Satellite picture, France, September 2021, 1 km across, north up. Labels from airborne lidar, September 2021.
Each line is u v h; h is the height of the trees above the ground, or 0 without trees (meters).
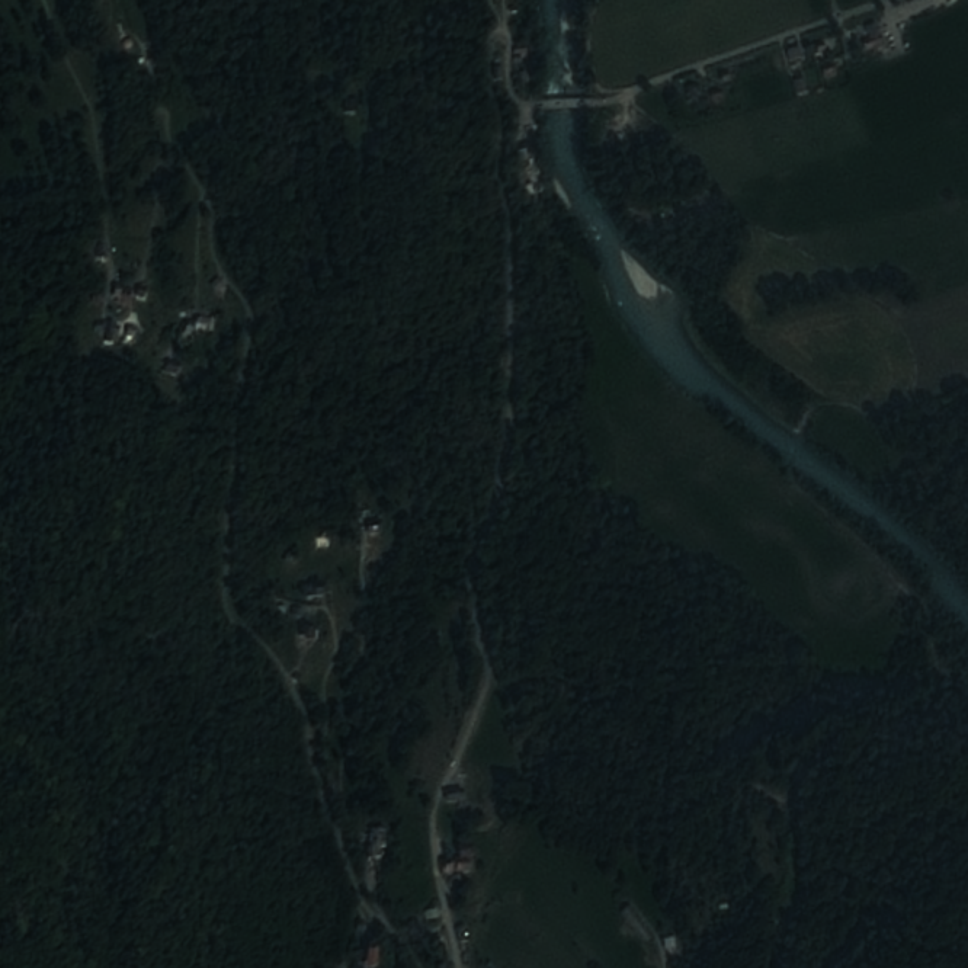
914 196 0
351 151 24
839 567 0
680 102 16
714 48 0
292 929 24
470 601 25
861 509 0
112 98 15
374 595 17
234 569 25
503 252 20
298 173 27
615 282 0
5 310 32
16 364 24
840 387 0
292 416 22
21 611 33
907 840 24
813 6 0
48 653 19
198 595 29
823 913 20
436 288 19
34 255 26
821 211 0
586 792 27
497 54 6
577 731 25
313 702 22
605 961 0
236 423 24
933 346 0
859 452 0
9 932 13
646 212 7
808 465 0
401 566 25
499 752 0
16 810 31
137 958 26
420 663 28
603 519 31
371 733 20
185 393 22
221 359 14
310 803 19
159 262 8
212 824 22
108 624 27
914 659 11
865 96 0
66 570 25
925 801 16
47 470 26
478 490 19
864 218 0
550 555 21
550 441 20
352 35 23
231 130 24
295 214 27
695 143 0
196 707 16
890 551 16
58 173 16
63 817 14
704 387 0
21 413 19
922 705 25
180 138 0
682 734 9
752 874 19
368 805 21
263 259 29
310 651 0
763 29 0
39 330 34
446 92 12
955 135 0
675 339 0
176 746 22
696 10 0
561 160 0
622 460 0
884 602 0
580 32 31
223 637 22
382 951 10
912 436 22
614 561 28
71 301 23
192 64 26
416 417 28
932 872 20
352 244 30
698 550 0
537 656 24
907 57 0
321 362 29
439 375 18
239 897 23
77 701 32
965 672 22
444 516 14
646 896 0
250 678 20
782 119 0
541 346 25
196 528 21
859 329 0
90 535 19
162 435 28
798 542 0
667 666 27
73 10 21
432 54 33
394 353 22
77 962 24
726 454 0
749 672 20
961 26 0
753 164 0
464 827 20
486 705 0
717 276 20
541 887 0
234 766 25
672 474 0
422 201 23
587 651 28
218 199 19
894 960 21
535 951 0
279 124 25
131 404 22
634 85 0
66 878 10
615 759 21
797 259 0
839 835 14
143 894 22
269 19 22
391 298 28
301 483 23
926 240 0
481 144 30
